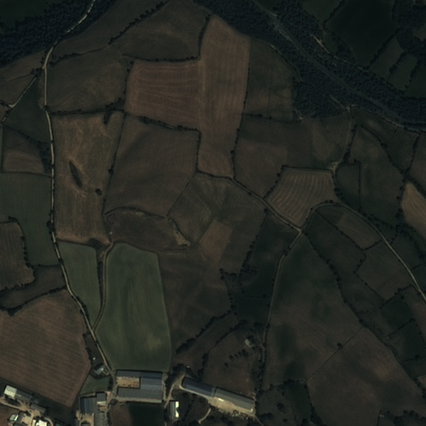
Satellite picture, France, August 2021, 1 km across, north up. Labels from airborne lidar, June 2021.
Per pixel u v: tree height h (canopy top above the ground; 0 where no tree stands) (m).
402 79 0
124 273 0
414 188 0
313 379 0
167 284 0
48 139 0
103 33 0
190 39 0
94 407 0
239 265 0
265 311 0
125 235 0
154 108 0
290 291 0
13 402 9
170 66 0
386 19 0
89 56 0
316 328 0
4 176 0
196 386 0
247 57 0
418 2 10
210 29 0
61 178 0
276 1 0
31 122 0
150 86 0
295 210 0
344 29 0
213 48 0
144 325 0
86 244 0
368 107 9
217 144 0
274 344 0
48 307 0
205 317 0
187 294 0
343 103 12
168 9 0
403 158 0
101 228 0
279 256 0
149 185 0
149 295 0
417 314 0
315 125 0
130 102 0
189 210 0
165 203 0
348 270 0
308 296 0
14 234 0
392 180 0
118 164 0
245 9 14
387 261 0
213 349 0
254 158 0
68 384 0
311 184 0
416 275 0
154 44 0
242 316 0
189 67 0
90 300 0
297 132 0
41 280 0
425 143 0
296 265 0
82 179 0
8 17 0
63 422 8
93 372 0
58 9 15
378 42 0
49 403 0
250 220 0
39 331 0
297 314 0
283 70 0
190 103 0
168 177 0
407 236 8
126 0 0
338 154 0
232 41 0
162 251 0
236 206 0
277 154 0
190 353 0
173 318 0
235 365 0
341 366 0
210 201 0
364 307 0
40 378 0
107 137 0
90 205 0
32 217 0
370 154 0
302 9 24
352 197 0
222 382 0
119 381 0
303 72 11
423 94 0
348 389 0
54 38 6
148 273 0
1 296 7
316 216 0
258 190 0
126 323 0
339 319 0
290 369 0
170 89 0
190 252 0
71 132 0
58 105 0
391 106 13
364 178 0
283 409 11
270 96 0
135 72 0
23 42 11
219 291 0
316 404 0
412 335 0
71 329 0
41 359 0
